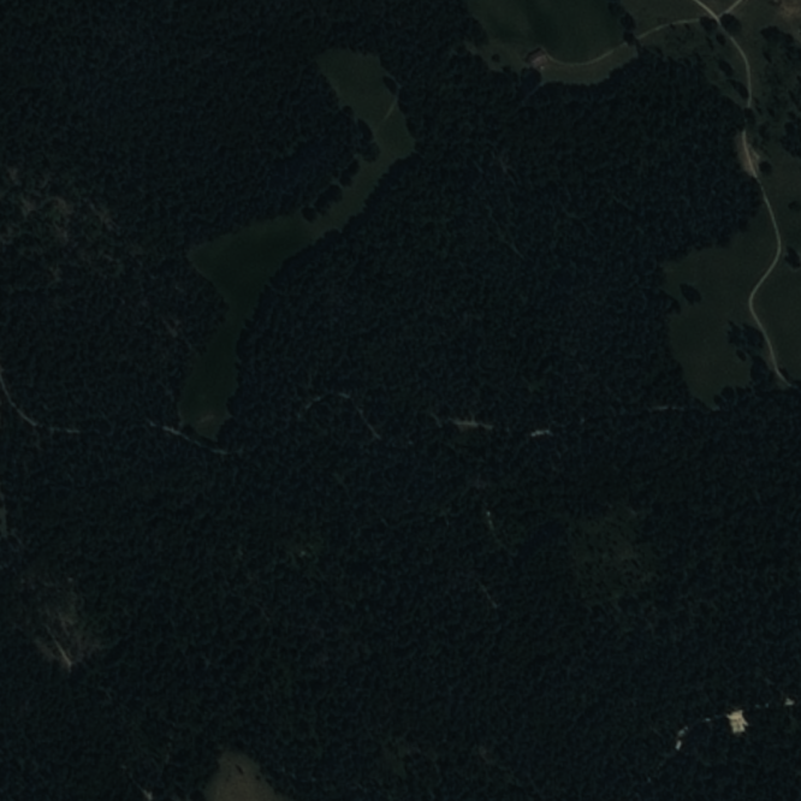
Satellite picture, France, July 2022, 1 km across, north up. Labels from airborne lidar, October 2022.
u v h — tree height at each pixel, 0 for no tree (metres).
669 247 9
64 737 22
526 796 19
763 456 20
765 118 0
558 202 33
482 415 18
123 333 29
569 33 0
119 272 7
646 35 0
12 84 24
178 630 9
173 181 29
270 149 17
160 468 22
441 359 25
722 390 0
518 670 17
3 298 23
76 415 11
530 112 26
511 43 0
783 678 20
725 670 24
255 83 26
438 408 7
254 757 6
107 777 24
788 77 0
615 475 24
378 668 23
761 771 12
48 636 26
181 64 24
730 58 0
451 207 16
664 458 21
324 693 16
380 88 0
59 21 10
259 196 34
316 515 20
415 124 24
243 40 21
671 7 0
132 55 17
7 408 10
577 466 28
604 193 26
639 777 26
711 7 0
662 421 14
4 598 21
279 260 0
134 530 23
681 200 28
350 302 31
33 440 8
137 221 32
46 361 21
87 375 19
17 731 20
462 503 17
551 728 19
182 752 7
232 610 26
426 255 13
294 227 0
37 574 19
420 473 32
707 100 15
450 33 17
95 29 8
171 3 18
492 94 25
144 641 26
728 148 7
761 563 28
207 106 23
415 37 22
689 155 13
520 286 18
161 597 15
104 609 21
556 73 0
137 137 28
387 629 26
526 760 19
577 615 24
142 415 21
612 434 25
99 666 7
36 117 19
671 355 10
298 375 24
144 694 25
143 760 23
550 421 7
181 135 23
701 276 0
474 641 18
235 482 16
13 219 19
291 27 31
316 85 27
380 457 27
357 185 0
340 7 21
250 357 19
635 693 24
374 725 25
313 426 18
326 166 25
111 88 27
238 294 0
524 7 0
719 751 19
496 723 19
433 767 18
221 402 0
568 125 23
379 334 24
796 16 0
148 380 12
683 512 10
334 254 26
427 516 26
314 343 21
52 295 20
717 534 28
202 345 28
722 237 25
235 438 25
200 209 28
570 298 29
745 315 0
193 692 20
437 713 23
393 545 26
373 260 26
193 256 0
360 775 13
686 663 20
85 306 20
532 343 18
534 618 20
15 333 19
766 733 14
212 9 27
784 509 28
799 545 25
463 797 16
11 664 26
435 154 8
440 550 27
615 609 24
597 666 25
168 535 25
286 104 25
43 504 17
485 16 0
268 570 25
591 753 27
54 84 24
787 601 27
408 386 17
